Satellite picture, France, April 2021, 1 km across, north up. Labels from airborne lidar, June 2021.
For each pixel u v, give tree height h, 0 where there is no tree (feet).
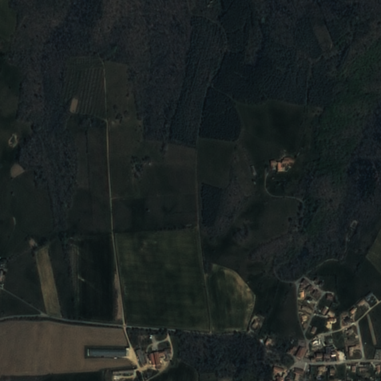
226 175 0
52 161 73
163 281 0
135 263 0
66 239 52
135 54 24
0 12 0
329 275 21
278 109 0
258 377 47
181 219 0
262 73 50
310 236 40
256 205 0
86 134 23
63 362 0
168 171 0
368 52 32
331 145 40
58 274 0
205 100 29
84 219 0
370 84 34
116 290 0
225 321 0
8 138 0
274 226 0
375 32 30
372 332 0
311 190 39
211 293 0
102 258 0
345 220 59
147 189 0
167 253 0
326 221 61
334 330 0
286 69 22
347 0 51
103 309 0
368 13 38
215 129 31
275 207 0
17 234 0
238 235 53
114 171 0
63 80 25
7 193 0
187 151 0
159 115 41
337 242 25
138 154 0
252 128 0
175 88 38
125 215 0
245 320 0
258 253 52
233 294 0
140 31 37
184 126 31
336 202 32
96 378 0
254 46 25
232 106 35
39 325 0
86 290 0
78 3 50
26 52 41
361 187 45
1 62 0
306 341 0
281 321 0
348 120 34
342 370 0
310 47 24
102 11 29
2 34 0
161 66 24
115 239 0
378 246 0
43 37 41
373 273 0
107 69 0
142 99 65
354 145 47
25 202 0
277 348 28
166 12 28
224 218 22
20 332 0
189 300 0
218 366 52
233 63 59
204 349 19
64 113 42
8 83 0
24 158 32
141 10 47
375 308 0
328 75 39
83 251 0
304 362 0
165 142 27
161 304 0
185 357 44
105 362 0
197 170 0
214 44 23
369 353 0
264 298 0
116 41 39
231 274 0
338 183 31
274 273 21
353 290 0
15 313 0
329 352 0
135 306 0
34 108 37
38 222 0
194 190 0
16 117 21
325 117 31
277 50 28
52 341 0
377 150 30
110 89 0
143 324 0
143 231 0
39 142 54
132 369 0
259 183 0
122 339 0
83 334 0
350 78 29
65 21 66
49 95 56
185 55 23
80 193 0
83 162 0
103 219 0
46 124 43
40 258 0
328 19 32
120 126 0
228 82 45
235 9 47
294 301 0
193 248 0
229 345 64
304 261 32
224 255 0
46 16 50
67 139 34
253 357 82
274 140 0
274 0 30
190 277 0
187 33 34
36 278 0
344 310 0
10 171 0
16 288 0
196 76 30
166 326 0
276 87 35
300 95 32
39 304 0
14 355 0
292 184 93
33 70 38
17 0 41
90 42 28
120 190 0
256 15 47
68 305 0
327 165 42
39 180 30
